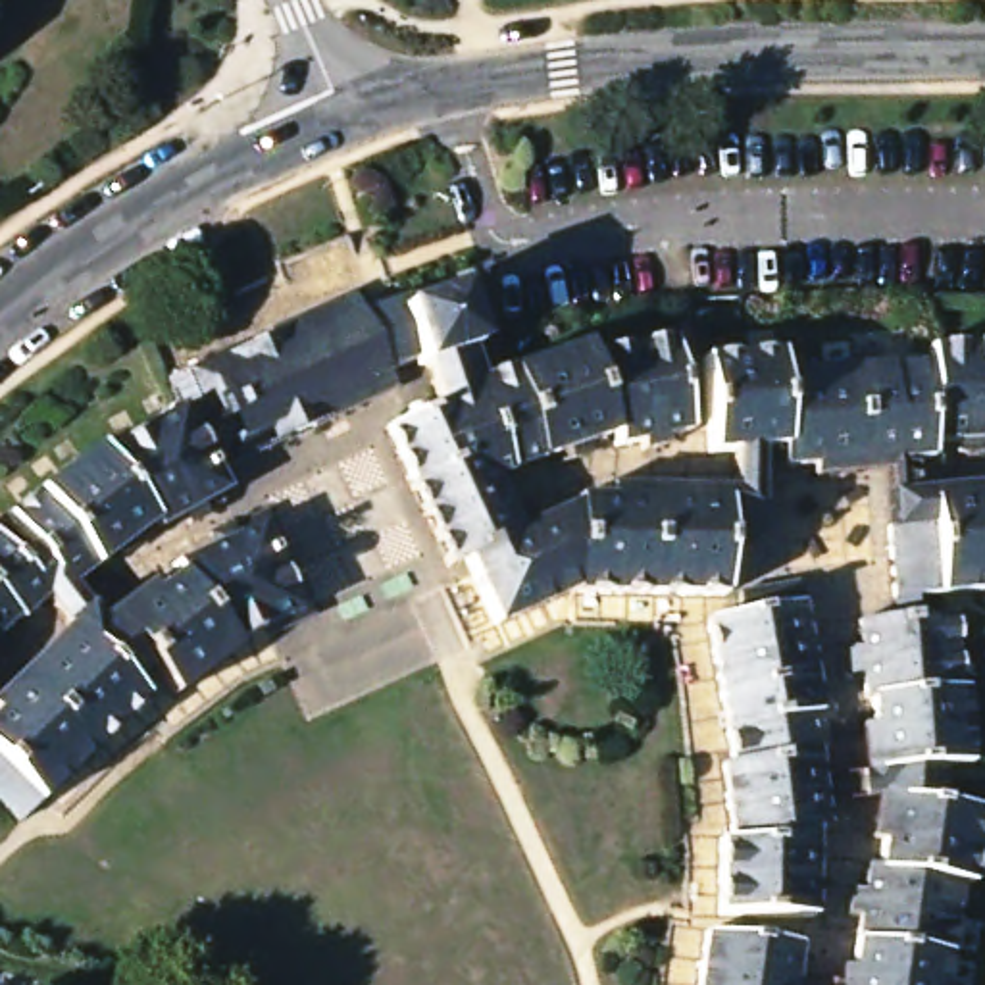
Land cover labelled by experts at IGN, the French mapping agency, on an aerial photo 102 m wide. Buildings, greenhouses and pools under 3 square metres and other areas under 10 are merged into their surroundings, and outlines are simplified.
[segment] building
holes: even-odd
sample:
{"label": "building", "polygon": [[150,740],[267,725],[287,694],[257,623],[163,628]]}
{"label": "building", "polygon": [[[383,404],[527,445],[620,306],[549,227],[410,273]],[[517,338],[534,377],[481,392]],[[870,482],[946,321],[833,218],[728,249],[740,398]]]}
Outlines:
{"label": "building", "polygon": [[[431,373],[435,392],[431,400],[416,400],[408,412],[392,416],[389,439],[396,446],[412,493],[423,504],[423,516],[439,539],[442,558],[450,566],[469,569],[469,585],[493,623],[504,619],[508,608],[527,612],[585,581],[720,581],[727,589],[743,589],[743,500],[758,489],[758,450],[770,442],[781,442],[789,462],[812,466],[827,477],[858,481],[866,466],[885,466],[889,516],[897,523],[900,558],[900,596],[885,600],[889,616],[862,616],[858,573],[850,566],[793,573],[762,589],[773,608],[785,681],[773,693],[750,700],[735,716],[743,723],[743,750],[723,758],[723,793],[739,796],[743,820],[731,873],[739,897],[785,893],[796,904],[789,916],[731,916],[739,927],[720,931],[712,939],[704,985],[950,985],[950,977],[958,973],[958,927],[962,920],[970,920],[970,885],[985,873],[985,796],[923,785],[927,762],[977,762],[977,754],[973,750],[981,746],[981,727],[962,720],[977,712],[973,654],[966,639],[970,631],[966,616],[947,619],[939,612],[927,612],[923,596],[985,593],[985,473],[947,477],[939,485],[927,477],[927,462],[943,454],[947,439],[985,431],[985,323],[966,323],[962,335],[943,335],[939,342],[931,342],[927,354],[916,358],[866,358],[858,373],[839,381],[839,389],[804,392],[800,354],[789,339],[712,346],[708,373],[696,373],[696,354],[685,335],[596,335],[577,331],[573,339],[554,342],[546,342],[546,350],[516,366],[496,362],[485,346],[493,331],[466,304],[416,292],[408,304],[392,296],[366,304],[358,289],[277,323],[269,354],[212,354],[200,369],[173,369],[173,389],[185,396],[185,404],[173,412],[154,412],[146,427],[139,427],[135,435],[108,435],[104,442],[73,458],[58,473],[58,481],[46,481],[42,493],[12,504],[12,516],[0,516],[0,616],[4,627],[15,627],[35,608],[46,608],[50,600],[58,604],[46,646],[0,689],[0,800],[12,808],[12,816],[19,816],[46,796],[46,785],[65,793],[85,777],[115,766],[165,720],[173,704],[189,700],[204,677],[273,646],[300,619],[316,616],[304,600],[296,600],[304,581],[296,550],[285,539],[269,543],[262,531],[239,523],[227,523],[208,546],[192,550],[185,569],[139,573],[135,589],[123,600],[115,600],[115,623],[108,631],[100,623],[100,604],[81,600],[77,585],[104,558],[112,566],[127,566],[139,546],[154,543],[177,523],[235,504],[258,477],[289,462],[281,435],[308,427],[316,416],[342,416],[385,389],[416,381],[423,369]],[[512,539],[500,527],[493,527],[493,516],[469,473],[469,466],[481,454],[493,454],[508,466],[550,454],[589,466],[596,450],[616,442],[616,427],[631,427],[635,435],[650,439],[685,439],[689,427],[704,427],[712,454],[654,458],[608,485],[589,477],[581,493],[550,504],[519,546],[512,546]]]}

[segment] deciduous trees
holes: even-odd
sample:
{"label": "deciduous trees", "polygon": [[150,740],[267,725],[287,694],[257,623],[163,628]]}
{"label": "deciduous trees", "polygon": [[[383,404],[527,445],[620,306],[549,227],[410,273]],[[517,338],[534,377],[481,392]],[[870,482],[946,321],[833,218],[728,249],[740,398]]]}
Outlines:
{"label": "deciduous trees", "polygon": [[958,135],[970,146],[985,150],[985,92],[962,96],[950,108]]}
{"label": "deciduous trees", "polygon": [[596,639],[585,654],[585,677],[608,708],[608,700],[639,696],[646,689],[643,654],[627,643],[616,643],[612,627],[589,627]]}
{"label": "deciduous trees", "polygon": [[208,966],[208,943],[177,923],[150,927],[131,947],[115,950],[119,985],[250,985],[246,966]]}
{"label": "deciduous trees", "polygon": [[577,100],[589,112],[589,127],[600,139],[608,139],[608,165],[643,139],[662,142],[669,158],[720,158],[720,150],[731,142],[720,131],[727,115],[723,96],[716,92],[712,77],[689,73],[669,88],[666,100],[643,100],[635,81],[623,77]]}
{"label": "deciduous trees", "polygon": [[119,273],[127,292],[127,308],[119,316],[123,323],[131,323],[135,346],[154,350],[192,350],[219,335],[215,300],[223,296],[223,273],[196,239],[173,250],[158,250],[135,262],[127,273]]}

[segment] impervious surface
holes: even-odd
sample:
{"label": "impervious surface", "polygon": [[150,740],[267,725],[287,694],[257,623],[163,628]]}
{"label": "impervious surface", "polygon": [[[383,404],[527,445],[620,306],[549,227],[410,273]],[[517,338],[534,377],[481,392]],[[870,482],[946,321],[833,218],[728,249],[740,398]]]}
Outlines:
{"label": "impervious surface", "polygon": [[985,750],[977,754],[977,762],[927,762],[923,785],[985,796]]}
{"label": "impervious surface", "polygon": [[[920,300],[927,292],[985,292],[985,150],[970,146],[958,135],[947,139],[927,131],[877,131],[866,142],[862,131],[750,139],[746,131],[758,112],[777,108],[789,96],[789,88],[800,88],[800,96],[962,96],[985,92],[985,0],[235,0],[235,42],[219,62],[215,77],[204,88],[189,92],[162,123],[146,127],[142,135],[119,142],[115,150],[62,181],[54,192],[0,223],[0,400],[8,400],[38,369],[62,358],[96,327],[119,316],[127,308],[127,292],[119,273],[127,273],[135,262],[158,250],[173,250],[196,239],[208,223],[246,219],[254,208],[285,192],[296,192],[312,181],[331,185],[335,208],[342,215],[339,239],[273,262],[273,289],[246,331],[219,335],[192,350],[154,350],[162,369],[169,373],[169,381],[146,396],[146,408],[154,412],[173,412],[185,404],[185,396],[173,389],[173,369],[200,369],[212,354],[269,354],[277,323],[358,289],[462,254],[469,246],[493,246],[508,254],[489,273],[473,273],[466,304],[493,331],[485,346],[496,362],[516,366],[546,350],[546,342],[554,342],[558,327],[546,323],[546,316],[554,304],[619,304],[619,296],[631,296],[635,289],[666,292],[669,285],[689,285],[681,292],[681,312],[616,319],[604,323],[596,335],[685,335],[696,354],[696,373],[708,373],[712,346],[789,339],[800,354],[804,392],[839,389],[839,381],[858,373],[866,358],[916,358],[927,354],[931,342],[854,316],[796,316],[781,323],[754,323],[750,300],[758,289],[920,289]],[[454,35],[458,42],[446,54],[381,50],[346,27],[350,8],[366,8],[408,31]],[[720,158],[669,158],[662,142],[643,139],[608,165],[608,139],[600,139],[589,127],[589,112],[577,100],[623,77],[635,81],[643,100],[666,100],[669,88],[689,73],[712,77],[716,92],[723,96],[727,115],[720,131],[731,142],[720,150]],[[539,123],[527,139],[531,165],[523,189],[516,192],[500,192],[496,173],[489,165],[496,119]],[[450,189],[431,192],[431,200],[450,204],[458,235],[400,254],[377,254],[377,223],[366,223],[358,215],[346,181],[346,165],[354,165],[419,135],[439,135],[439,142],[462,158],[462,169],[450,173]]]}
{"label": "impervious surface", "polygon": [[0,616],[0,689],[46,646],[58,604],[50,600],[46,608],[35,608],[15,627],[4,627]]}
{"label": "impervious surface", "polygon": [[550,504],[581,493],[589,477],[608,485],[654,458],[712,454],[704,427],[689,427],[685,439],[650,439],[635,435],[631,427],[616,427],[616,442],[596,450],[589,466],[550,454],[508,466],[493,454],[481,454],[469,466],[469,473],[493,516],[493,527],[500,527],[512,539],[512,546],[519,546]]}
{"label": "impervious surface", "polygon": [[970,920],[962,920],[958,927],[958,973],[950,977],[950,985],[985,985],[985,873],[970,885]]}
{"label": "impervious surface", "polygon": [[939,485],[947,477],[985,473],[985,431],[947,439],[943,454],[927,462],[927,477]]}
{"label": "impervious surface", "polygon": [[[100,604],[100,623],[108,631],[115,623],[115,600],[123,600],[135,589],[139,573],[185,569],[192,550],[208,546],[227,523],[239,523],[262,531],[269,543],[285,539],[296,550],[304,581],[296,600],[304,600],[316,616],[300,619],[273,646],[204,677],[189,700],[173,704],[165,720],[115,766],[85,777],[65,793],[46,785],[46,796],[19,816],[12,816],[12,808],[0,800],[0,866],[31,839],[65,835],[77,823],[85,823],[123,777],[131,777],[177,735],[219,696],[250,681],[258,673],[269,673],[277,685],[292,685],[304,720],[319,720],[385,685],[396,685],[408,673],[439,666],[450,704],[493,777],[493,789],[535,870],[546,908],[554,912],[569,943],[581,985],[593,985],[596,943],[650,916],[669,920],[673,985],[704,985],[712,939],[720,931],[739,927],[731,916],[789,916],[796,904],[785,893],[739,897],[731,873],[743,820],[739,796],[723,793],[723,758],[743,750],[743,723],[735,716],[750,700],[773,693],[785,681],[773,608],[762,589],[793,573],[850,566],[858,573],[862,616],[889,616],[885,600],[900,596],[900,558],[897,523],[889,516],[885,466],[866,466],[858,481],[827,477],[812,466],[789,462],[781,442],[770,442],[758,450],[758,489],[743,500],[743,589],[727,589],[720,581],[585,581],[527,612],[508,608],[504,619],[493,623],[469,585],[469,569],[450,566],[442,558],[439,539],[423,516],[423,504],[412,493],[396,446],[389,439],[392,416],[408,412],[416,400],[431,400],[435,392],[431,373],[423,369],[416,381],[385,389],[342,416],[316,416],[308,427],[281,435],[289,462],[258,477],[235,504],[177,523],[154,543],[139,546],[127,566],[112,566],[104,558],[77,585],[81,600]],[[685,881],[669,889],[658,900],[627,904],[596,923],[581,923],[550,862],[550,850],[527,812],[512,766],[481,716],[489,696],[485,662],[493,658],[554,627],[589,627],[612,627],[650,623],[673,643],[677,700],[685,739],[681,750],[681,785],[700,793],[704,812],[693,823],[693,862],[685,870]]]}

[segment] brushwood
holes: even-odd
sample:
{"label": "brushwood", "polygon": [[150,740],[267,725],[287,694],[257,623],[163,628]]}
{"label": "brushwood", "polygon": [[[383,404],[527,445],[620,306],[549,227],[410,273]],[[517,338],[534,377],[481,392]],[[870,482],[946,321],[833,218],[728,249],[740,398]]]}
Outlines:
{"label": "brushwood", "polygon": [[546,323],[558,327],[554,342],[573,339],[577,331],[596,335],[604,323],[616,319],[681,312],[681,292],[689,285],[669,285],[666,292],[635,289],[631,296],[619,296],[619,304],[554,304],[546,316]]}
{"label": "brushwood", "polygon": [[239,731],[250,708],[262,704],[262,689],[250,681],[219,696],[177,735],[185,746],[200,746],[204,735]]}
{"label": "brushwood", "polygon": [[669,889],[685,881],[685,870],[693,862],[693,823],[704,812],[700,793],[681,785],[681,750],[669,750],[658,762],[658,854],[623,854],[635,877],[666,881]]}
{"label": "brushwood", "polygon": [[23,100],[31,85],[31,62],[23,58],[23,50],[12,50],[0,62],[0,127],[8,123],[12,108]]}
{"label": "brushwood", "polygon": [[612,723],[604,727],[550,720],[539,712],[539,696],[546,696],[554,685],[535,681],[527,669],[516,666],[496,666],[493,658],[485,662],[489,696],[481,716],[512,766],[516,758],[558,758],[562,766],[569,766],[573,758],[600,758],[608,766],[619,766],[643,750],[646,735],[658,723],[658,712],[677,700],[673,643],[650,623],[612,627],[616,643],[627,643],[643,654],[646,689],[639,696],[608,700],[608,708]]}
{"label": "brushwood", "polygon": [[496,173],[500,192],[516,192],[523,189],[531,165],[527,139],[539,123],[496,119],[489,165]]}
{"label": "brushwood", "polygon": [[758,289],[750,300],[754,323],[781,323],[796,316],[854,316],[931,342],[939,342],[943,335],[962,335],[966,323],[985,323],[985,292],[927,292],[920,300],[920,289]]}
{"label": "brushwood", "polygon": [[970,631],[985,635],[985,593],[923,596],[927,612],[939,612],[947,619],[966,616]]}
{"label": "brushwood", "polygon": [[593,985],[673,985],[669,920],[650,916],[596,943]]}
{"label": "brushwood", "polygon": [[346,27],[381,50],[446,54],[458,42],[454,35],[408,31],[366,8],[350,8]]}
{"label": "brushwood", "polygon": [[35,462],[54,439],[65,435],[73,419],[81,419],[92,408],[92,400],[123,392],[131,377],[127,369],[112,377],[88,377],[88,366],[65,366],[62,358],[38,369],[8,400],[0,400],[0,466],[8,477],[15,477],[19,466]]}
{"label": "brushwood", "polygon": [[508,254],[493,246],[469,246],[462,254],[358,289],[366,304],[392,296],[408,304],[416,292],[466,304],[473,273],[489,273]]}
{"label": "brushwood", "polygon": [[377,223],[389,215],[389,196],[373,173],[362,173],[354,165],[346,165],[346,181],[358,215],[366,223]]}
{"label": "brushwood", "polygon": [[150,38],[154,0],[131,0],[131,23],[119,46],[96,54],[85,65],[88,85],[77,85],[62,108],[65,139],[42,162],[27,162],[23,177],[0,181],[0,223],[54,192],[62,181],[115,150],[119,142],[142,135],[146,127],[135,108],[123,50],[142,46]]}
{"label": "brushwood", "polygon": [[85,943],[69,931],[65,950],[54,954],[50,939],[38,935],[42,920],[35,916],[23,916],[23,935],[0,931],[0,985],[119,985],[115,950],[104,943]]}

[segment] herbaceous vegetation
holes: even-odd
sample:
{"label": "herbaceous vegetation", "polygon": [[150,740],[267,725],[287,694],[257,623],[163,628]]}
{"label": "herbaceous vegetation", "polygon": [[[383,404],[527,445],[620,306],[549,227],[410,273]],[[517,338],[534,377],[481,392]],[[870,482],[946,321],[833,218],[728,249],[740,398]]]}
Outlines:
{"label": "herbaceous vegetation", "polygon": [[539,696],[539,712],[550,720],[604,727],[612,723],[608,708],[585,677],[585,654],[596,639],[589,627],[554,627],[493,658],[496,666],[516,666],[527,669],[535,681],[554,685],[546,696]]}
{"label": "herbaceous vegetation", "polygon": [[131,0],[0,0],[0,62],[12,50],[23,50],[23,58],[31,62],[31,85],[23,100],[12,108],[8,123],[0,127],[0,181],[23,177],[27,162],[42,162],[65,139],[62,108],[77,85],[88,85],[85,65],[96,54],[119,46],[131,23]]}
{"label": "herbaceous vegetation", "polygon": [[23,916],[35,916],[42,920],[38,935],[50,939],[54,954],[65,950],[69,931],[85,943],[104,943],[115,950],[131,947],[150,927],[177,923],[208,943],[208,966],[246,966],[250,985],[581,985],[569,943],[554,912],[546,908],[535,870],[493,789],[493,777],[450,704],[439,666],[408,673],[396,685],[385,685],[319,720],[304,720],[292,685],[277,685],[269,673],[258,673],[250,681],[262,689],[262,704],[250,708],[239,731],[204,735],[200,746],[185,746],[177,735],[131,777],[123,777],[85,823],[77,823],[65,835],[31,839],[0,866],[0,931],[23,935]]}
{"label": "herbaceous vegetation", "polygon": [[389,196],[389,215],[377,223],[377,254],[400,254],[458,235],[450,204],[431,200],[431,192],[450,189],[450,173],[462,169],[462,158],[439,142],[439,135],[419,135],[354,165],[362,173],[373,173]]}
{"label": "herbaceous vegetation", "polygon": [[146,396],[169,381],[169,373],[162,369],[154,350],[135,346],[131,323],[123,323],[119,316],[96,327],[62,358],[65,366],[88,366],[88,377],[112,377],[127,369],[131,377],[123,392],[92,400],[92,408],[81,419],[73,419],[65,435],[54,439],[35,462],[19,466],[15,477],[8,477],[0,466],[0,516],[12,516],[12,504],[42,493],[46,481],[58,481],[58,473],[73,458],[104,442],[108,435],[135,435],[139,427],[146,427],[154,412],[146,408]]}
{"label": "herbaceous vegetation", "polygon": [[669,889],[666,881],[635,877],[623,854],[658,854],[658,762],[669,750],[681,750],[685,739],[677,700],[658,712],[658,723],[646,735],[643,750],[619,766],[608,766],[600,758],[573,758],[569,766],[562,766],[558,758],[516,758],[512,766],[527,812],[550,850],[550,862],[581,923],[596,923],[627,904],[658,900]]}
{"label": "herbaceous vegetation", "polygon": [[866,142],[877,131],[927,131],[947,139],[958,135],[950,108],[962,96],[800,96],[800,88],[789,88],[789,96],[777,108],[758,112],[746,131],[750,139],[862,131]]}
{"label": "herbaceous vegetation", "polygon": [[981,727],[981,746],[973,750],[977,754],[985,750],[985,635],[970,631],[966,639],[973,654],[977,712],[962,720]]}
{"label": "herbaceous vegetation", "polygon": [[246,219],[208,223],[196,239],[223,273],[223,296],[215,300],[219,335],[246,331],[273,289],[273,262],[339,239],[342,215],[335,208],[331,185],[312,181],[296,192],[285,192],[254,208]]}
{"label": "herbaceous vegetation", "polygon": [[215,77],[219,62],[235,42],[235,0],[154,0],[150,38],[142,46],[123,50],[135,108],[146,127],[162,123],[189,92],[204,88]]}

